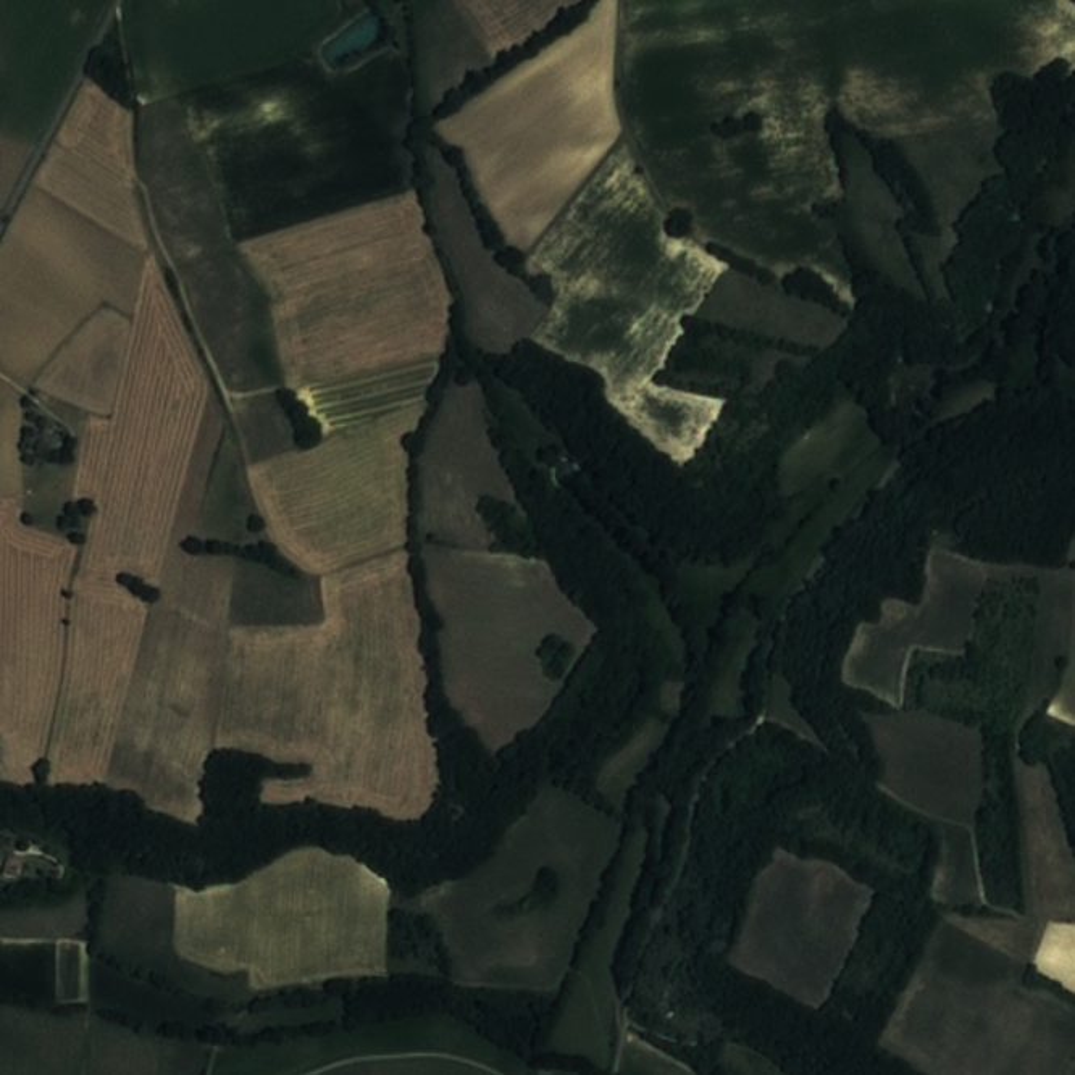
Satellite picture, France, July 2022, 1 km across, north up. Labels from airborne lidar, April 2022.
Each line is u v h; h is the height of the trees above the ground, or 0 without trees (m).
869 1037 9
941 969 0
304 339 0
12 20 0
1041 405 13
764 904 0
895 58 0
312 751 0
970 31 0
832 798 8
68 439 11
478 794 15
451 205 0
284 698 0
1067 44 0
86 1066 0
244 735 0
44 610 0
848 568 10
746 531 21
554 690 0
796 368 9
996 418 17
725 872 8
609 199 0
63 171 0
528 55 10
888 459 0
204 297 0
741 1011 15
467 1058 0
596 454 11
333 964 0
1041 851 0
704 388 7
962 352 17
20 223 0
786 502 8
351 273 0
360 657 0
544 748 15
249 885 0
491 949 0
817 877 0
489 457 0
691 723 19
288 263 0
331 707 0
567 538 18
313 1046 0
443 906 0
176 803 0
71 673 0
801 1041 15
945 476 13
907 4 0
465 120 0
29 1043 0
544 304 15
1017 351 9
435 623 14
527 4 0
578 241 0
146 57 0
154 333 0
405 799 0
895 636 0
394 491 0
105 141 0
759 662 11
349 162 0
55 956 0
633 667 11
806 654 8
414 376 0
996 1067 0
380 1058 0
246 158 0
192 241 0
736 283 0
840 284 0
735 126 16
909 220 10
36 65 0
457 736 17
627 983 15
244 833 13
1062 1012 0
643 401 0
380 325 0
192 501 0
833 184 0
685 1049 11
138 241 0
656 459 14
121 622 0
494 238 18
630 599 24
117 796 15
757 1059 0
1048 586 0
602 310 0
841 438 0
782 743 7
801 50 0
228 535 0
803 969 0
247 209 0
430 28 0
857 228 0
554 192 0
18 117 0
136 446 0
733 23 0
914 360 14
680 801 13
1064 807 9
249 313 0
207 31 0
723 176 0
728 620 11
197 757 0
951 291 10
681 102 0
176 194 0
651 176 0
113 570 0
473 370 10
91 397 0
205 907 0
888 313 22
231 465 0
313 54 0
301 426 14
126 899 0
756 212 0
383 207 0
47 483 0
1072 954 0
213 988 0
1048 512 12
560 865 0
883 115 0
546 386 11
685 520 17
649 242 0
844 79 0
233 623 0
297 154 0
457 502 0
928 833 11
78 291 0
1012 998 0
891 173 14
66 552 0
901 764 0
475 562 0
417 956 6
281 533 0
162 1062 0
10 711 0
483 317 0
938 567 0
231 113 0
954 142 0
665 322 0
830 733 13
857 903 0
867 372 16
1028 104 10
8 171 0
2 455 0
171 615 0
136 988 0
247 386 0
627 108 0
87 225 0
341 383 0
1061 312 17
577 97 0
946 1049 0
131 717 0
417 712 0
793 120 0
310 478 0
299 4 0
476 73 12
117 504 0
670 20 0
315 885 0
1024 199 15
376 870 9
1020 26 0
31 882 11
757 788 7
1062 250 24
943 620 0
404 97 0
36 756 0
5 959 0
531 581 0
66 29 0
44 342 0
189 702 0
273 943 0
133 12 0
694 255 0
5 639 0
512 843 0
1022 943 0
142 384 0
